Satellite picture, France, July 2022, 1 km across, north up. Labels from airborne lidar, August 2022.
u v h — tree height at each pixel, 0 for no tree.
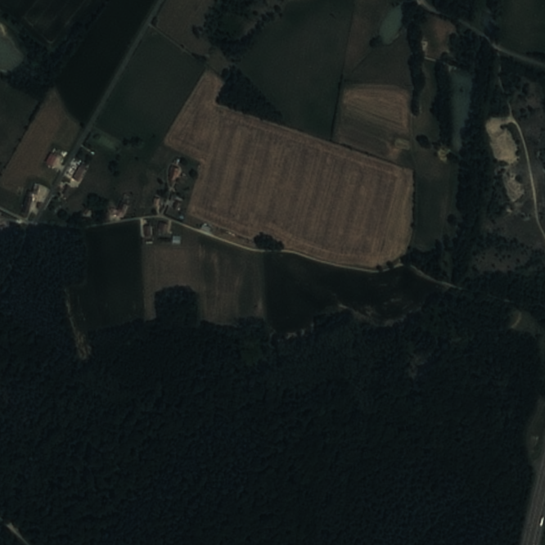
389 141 0
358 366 29
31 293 25
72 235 23
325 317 8
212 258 0
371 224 0
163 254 0
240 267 0
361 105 0
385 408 22
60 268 28
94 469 23
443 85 20
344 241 0
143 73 0
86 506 28
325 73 0
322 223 0
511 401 21
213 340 12
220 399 25
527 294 18
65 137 0
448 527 16
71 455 23
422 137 12
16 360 23
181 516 15
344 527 17
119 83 0
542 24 0
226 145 0
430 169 0
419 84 18
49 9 0
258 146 0
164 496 13
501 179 10
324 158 0
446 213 0
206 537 26
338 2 0
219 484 16
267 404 26
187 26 0
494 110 8
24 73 16
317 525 26
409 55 0
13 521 25
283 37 0
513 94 14
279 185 0
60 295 22
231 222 0
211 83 0
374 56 0
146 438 11
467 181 21
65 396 27
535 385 16
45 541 24
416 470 21
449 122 22
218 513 26
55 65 20
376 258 0
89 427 25
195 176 10
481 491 19
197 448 20
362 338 32
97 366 18
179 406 20
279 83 0
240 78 22
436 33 0
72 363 24
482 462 27
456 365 22
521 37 0
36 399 33
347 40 0
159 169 0
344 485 21
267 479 24
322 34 0
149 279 0
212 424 24
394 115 0
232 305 0
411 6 16
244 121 0
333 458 19
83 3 0
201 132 0
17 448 19
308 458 26
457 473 29
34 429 29
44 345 24
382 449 20
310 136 0
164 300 22
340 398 29
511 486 25
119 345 19
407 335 7
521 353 16
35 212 0
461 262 17
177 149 0
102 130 0
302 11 0
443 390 24
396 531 27
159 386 30
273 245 17
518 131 0
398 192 0
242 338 14
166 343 21
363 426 23
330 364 32
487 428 24
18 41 0
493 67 14
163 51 0
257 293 0
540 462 0
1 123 0
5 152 0
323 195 0
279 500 27
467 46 12
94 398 22
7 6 0
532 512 0
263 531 29
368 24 0
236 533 27
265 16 9
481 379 22
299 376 32
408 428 16
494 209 10
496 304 13
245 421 25
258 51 0
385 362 17
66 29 0
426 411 20
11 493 26
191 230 0
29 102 0
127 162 0
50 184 0
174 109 0
